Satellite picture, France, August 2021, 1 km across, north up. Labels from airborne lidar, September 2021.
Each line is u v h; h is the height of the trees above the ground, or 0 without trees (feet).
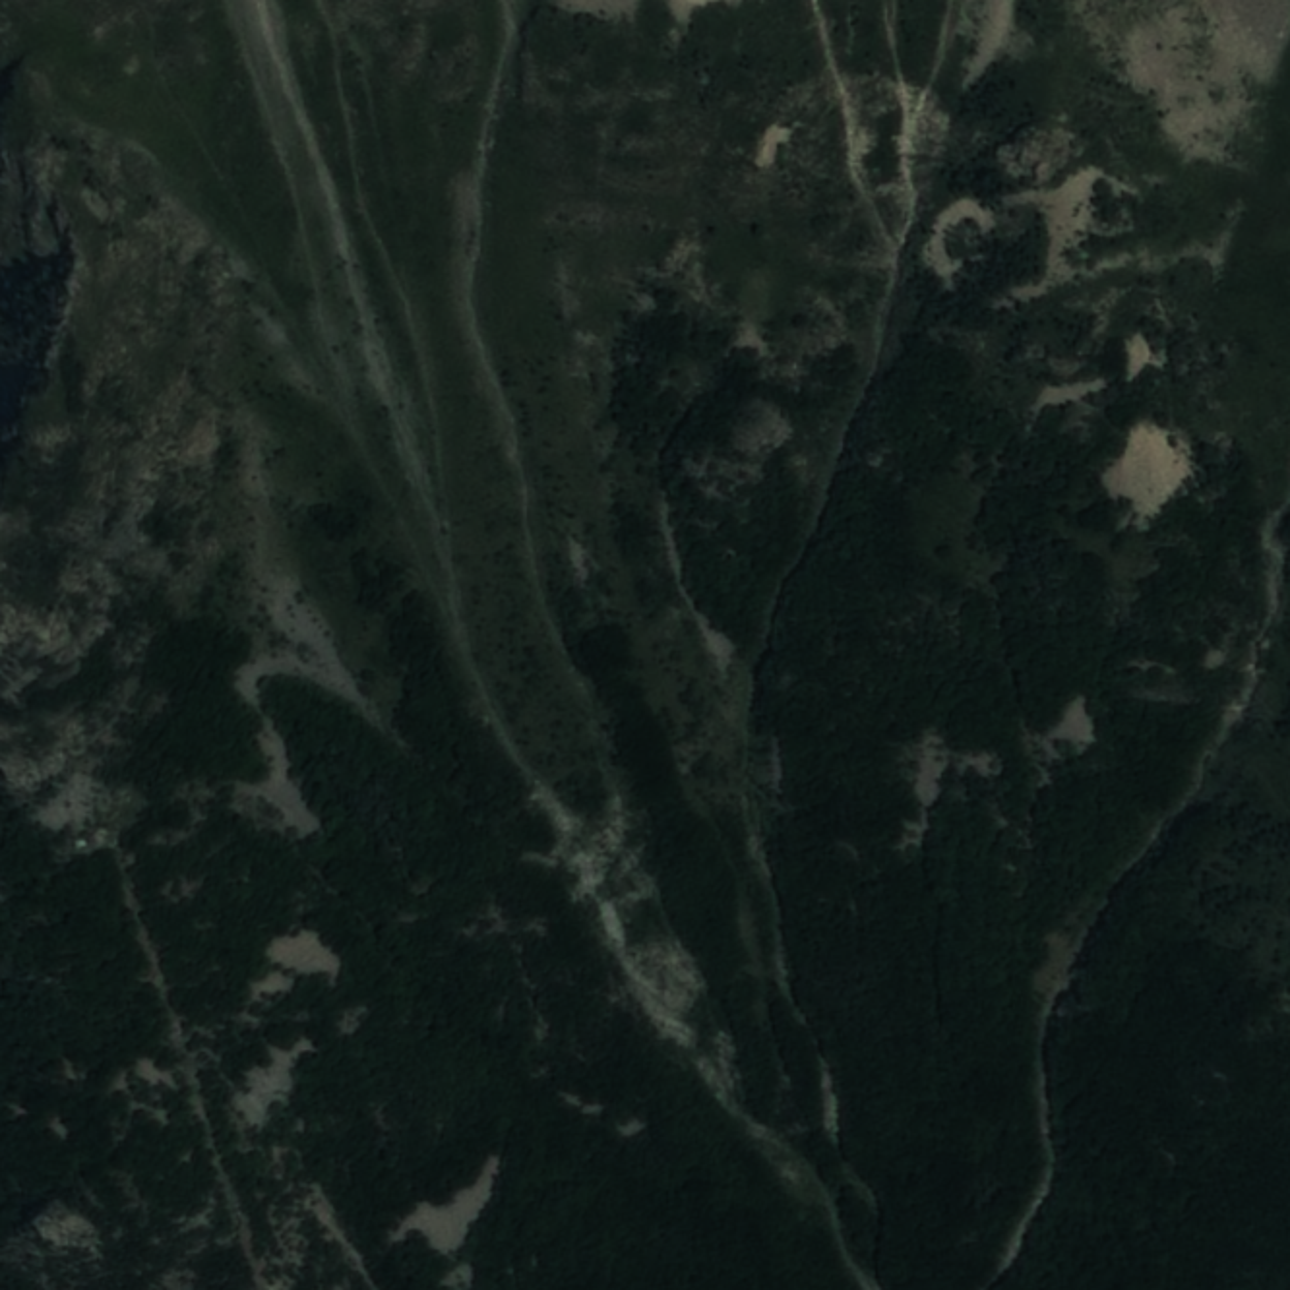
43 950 37
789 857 53
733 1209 37
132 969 43
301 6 0
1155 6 0
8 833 35
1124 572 0
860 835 32
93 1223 23
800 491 23
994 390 20
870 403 19
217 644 47
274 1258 23
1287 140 0
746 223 0
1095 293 0
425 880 51
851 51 0
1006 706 78
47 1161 55
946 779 31
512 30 0
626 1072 56
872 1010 43
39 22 0
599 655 52
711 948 27
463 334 0
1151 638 29
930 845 50
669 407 47
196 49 0
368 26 0
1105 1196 55
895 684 31
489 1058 35
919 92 0
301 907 17
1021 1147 52
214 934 54
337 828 63
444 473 0
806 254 0
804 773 31
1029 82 0
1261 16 0
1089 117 0
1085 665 59
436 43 0
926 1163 47
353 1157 51
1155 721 58
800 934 34
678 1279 35
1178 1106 50
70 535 29
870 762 36
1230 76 0
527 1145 82
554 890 24
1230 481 58
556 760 23
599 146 0
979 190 23
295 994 35
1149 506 0
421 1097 32
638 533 19
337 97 0
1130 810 63
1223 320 0
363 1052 60
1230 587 20
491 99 0
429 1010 33
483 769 27
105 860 49
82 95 0
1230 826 22
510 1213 78
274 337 0
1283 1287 37
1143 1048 37
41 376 24
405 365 0
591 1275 55
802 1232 30
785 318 0
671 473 31
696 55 20
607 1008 29
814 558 26
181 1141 52
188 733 61
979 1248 41
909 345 41
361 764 72
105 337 0
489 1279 60
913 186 0
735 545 37
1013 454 46
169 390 0
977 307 29
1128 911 29
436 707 60
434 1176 75
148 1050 53
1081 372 29
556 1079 50
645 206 0
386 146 0
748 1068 26
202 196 0
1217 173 0
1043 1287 31
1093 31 0
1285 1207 36
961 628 29
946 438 30
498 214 0
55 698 31
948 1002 76
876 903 43
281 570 0
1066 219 0
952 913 70
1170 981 43
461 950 32
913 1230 55
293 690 38
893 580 34
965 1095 52
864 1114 39
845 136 0
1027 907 32
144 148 0
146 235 0
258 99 0
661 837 20
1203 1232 34
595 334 0
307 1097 56
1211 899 31
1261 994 26
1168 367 29
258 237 0
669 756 52
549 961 34
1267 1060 35
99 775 32
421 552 0
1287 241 0
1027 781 62
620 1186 47
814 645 40
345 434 0
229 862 52
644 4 0
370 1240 44
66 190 0
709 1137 32
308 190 0
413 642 33
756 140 0
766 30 0
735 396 31
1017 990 52
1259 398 0
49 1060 45
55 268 27
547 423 0
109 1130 33
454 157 0
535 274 0
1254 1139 44
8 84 21
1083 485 20
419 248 0
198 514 21
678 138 0
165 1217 28
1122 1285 70
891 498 31
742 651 19
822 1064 30
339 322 0
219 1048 66
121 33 0
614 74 0
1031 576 58
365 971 56
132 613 41
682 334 28
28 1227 35
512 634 20
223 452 25
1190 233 0
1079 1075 57
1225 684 22
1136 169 0
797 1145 34
